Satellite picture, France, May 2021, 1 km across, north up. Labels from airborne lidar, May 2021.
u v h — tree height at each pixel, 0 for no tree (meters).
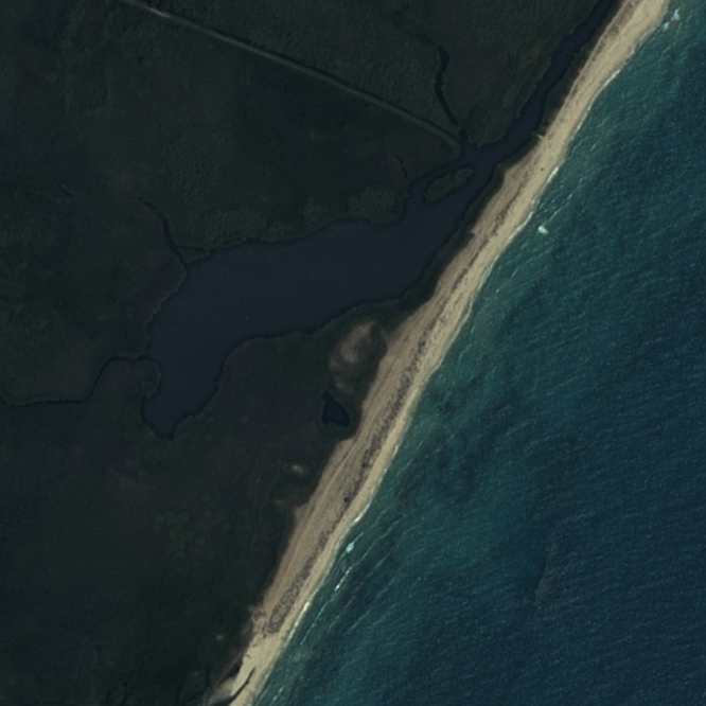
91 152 0
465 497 0
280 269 0
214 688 0
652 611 0
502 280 0
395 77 7
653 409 0
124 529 0
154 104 0
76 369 0
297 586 0
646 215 0
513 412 0
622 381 0
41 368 0
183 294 0
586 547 0
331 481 0
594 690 0
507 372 0
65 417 0
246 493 0
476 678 0
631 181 0
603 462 0
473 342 0
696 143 0
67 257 0
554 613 0
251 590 0
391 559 0
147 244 0
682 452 0
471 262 0
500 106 0
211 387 0
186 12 13
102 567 0
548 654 0
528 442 0
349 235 0
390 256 0
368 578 0
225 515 0
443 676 0
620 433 0
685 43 0
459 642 0
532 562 0
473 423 0
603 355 0
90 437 0
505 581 0
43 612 0
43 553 0
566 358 0
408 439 0
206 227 7
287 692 0
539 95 0
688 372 0
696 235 0
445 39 0
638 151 0
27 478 0
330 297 0
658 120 0
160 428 0
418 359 0
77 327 0
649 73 0
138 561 0
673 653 0
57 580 0
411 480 0
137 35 8
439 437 0
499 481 0
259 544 0
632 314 0
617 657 0
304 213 6
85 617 0
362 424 0
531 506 0
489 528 0
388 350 0
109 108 6
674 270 0
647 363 0
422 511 0
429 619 0
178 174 7
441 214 0
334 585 0
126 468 0
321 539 0
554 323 0
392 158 0
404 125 0
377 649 0
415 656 0
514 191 0
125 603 0
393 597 0
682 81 0
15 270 5
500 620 0
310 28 6
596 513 0
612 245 0
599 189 0
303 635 0
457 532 0
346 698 0
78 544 0
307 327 0
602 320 0
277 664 0
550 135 0
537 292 0
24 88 0
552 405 0
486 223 0
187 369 0
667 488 0
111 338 0
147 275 0
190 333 0
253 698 0
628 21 0
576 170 0
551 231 0
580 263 0
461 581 0
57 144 0
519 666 0
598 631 0
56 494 0
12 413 0
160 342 0
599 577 0
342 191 0
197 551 0
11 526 0
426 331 0
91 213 0
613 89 0
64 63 5
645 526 0
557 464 0
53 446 0
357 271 0
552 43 0
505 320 0
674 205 0
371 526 0
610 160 0
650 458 0
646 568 0
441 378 0
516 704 0
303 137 0
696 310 0
